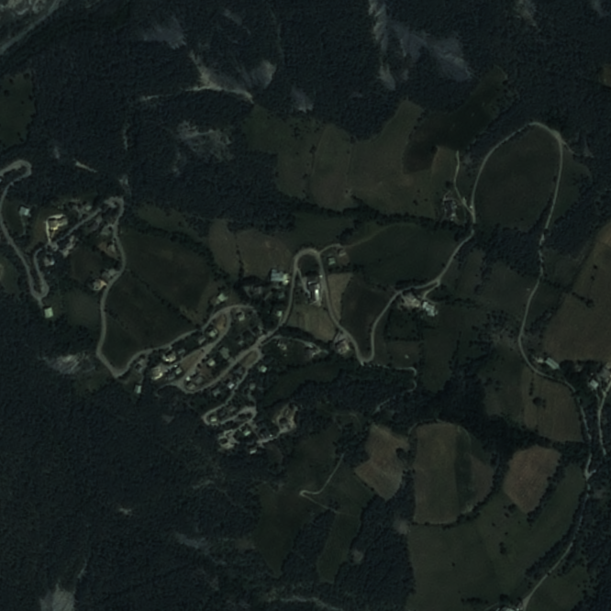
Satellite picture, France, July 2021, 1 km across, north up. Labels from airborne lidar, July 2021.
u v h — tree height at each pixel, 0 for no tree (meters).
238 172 8
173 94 6
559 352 0
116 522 11
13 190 9
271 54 7
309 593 8
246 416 7
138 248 0
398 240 0
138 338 0
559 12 9
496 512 0
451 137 0
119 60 14
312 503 0
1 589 12
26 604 8
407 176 0
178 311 8
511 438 15
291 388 0
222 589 8
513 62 11
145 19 9
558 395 0
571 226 13
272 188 7
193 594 14
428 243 0
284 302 7
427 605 0
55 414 9
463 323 0
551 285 9
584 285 0
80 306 0
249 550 8
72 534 6
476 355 0
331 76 6
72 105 16
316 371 0
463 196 0
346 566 7
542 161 0
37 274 5
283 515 0
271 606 11
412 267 0
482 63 7
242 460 16
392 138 0
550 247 6
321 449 0
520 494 0
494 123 9
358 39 7
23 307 7
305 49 8
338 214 10
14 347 10
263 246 0
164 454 9
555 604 0
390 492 0
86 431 7
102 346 0
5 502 8
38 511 9
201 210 11
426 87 9
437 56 0
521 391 0
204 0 12
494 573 0
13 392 11
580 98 14
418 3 7
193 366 0
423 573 0
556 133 0
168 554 8
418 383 10
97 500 9
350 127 6
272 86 8
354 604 8
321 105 8
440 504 0
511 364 0
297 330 16
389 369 9
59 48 10
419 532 0
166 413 6
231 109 7
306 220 0
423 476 0
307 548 10
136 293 0
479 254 0
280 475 9
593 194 10
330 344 9
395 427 12
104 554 12
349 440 8
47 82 12
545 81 12
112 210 9
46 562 7
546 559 9
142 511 9
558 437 0
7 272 0
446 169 0
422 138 0
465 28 6
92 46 12
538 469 0
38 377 10
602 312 0
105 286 6
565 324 0
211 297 0
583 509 8
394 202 0
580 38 11
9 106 0
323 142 0
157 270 0
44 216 0
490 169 0
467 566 0
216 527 7
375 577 12
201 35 7
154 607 16
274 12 14
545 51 13
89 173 9
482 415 15
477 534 0
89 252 0
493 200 0
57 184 10
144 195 7
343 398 9
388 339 7
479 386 10
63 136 10
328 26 13
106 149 15
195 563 10
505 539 0
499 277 0
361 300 0
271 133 0
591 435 11
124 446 11
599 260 0
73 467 9
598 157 8
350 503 0
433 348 0
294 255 0
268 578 7
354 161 0
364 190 0
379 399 7
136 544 11
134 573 14
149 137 13
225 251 0
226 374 0
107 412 6
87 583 11
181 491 8
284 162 0
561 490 0
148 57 15
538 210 0
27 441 10
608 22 10
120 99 11
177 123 6
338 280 0
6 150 8
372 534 9
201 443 6
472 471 0
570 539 12
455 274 0
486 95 0
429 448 0
